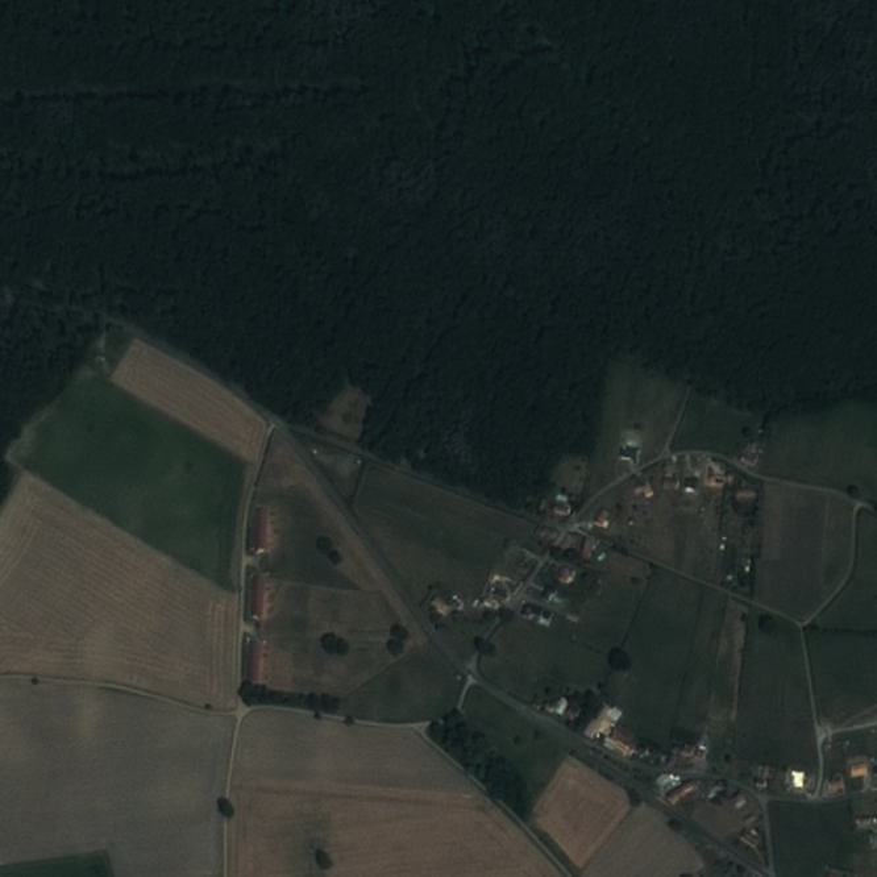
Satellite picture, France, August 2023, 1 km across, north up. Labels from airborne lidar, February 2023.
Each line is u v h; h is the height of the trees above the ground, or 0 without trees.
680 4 23
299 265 16
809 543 0
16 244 21
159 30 23
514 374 23
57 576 0
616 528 0
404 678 0
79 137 27
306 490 0
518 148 23
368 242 16
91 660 0
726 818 0
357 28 15
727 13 25
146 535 0
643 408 0
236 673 0
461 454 20
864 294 26
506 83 22
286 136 26
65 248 23
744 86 21
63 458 0
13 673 0
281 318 22
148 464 0
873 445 0
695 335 21
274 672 0
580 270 23
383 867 0
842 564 0
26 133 22
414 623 0
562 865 0
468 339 25
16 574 0
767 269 22
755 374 26
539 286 22
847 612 0
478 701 0
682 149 23
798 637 0
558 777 0
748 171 26
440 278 19
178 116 29
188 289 25
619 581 0
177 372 0
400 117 23
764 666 0
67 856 0
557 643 0
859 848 0
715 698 0
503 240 20
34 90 23
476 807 0
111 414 0
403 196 16
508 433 24
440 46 24
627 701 0
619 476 0
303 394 19
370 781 0
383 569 0
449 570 0
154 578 0
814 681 0
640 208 23
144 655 0
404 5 25
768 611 0
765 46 26
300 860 0
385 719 0
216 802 0
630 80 24
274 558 0
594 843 0
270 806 0
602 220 24
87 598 0
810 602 0
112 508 0
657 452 0
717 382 16
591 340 25
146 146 26
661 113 25
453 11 23
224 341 26
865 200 27
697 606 0
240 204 25
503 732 0
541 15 20
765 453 0
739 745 0
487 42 19
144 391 0
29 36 24
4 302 24
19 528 0
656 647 0
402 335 23
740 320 25
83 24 21
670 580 0
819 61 22
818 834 0
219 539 0
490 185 20
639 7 22
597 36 22
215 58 25
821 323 26
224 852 0
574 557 9
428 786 0
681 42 25
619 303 25
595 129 25
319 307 22
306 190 24
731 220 22
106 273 25
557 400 23
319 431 10
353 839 0
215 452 0
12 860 0
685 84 24
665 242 23
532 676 0
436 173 15
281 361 25
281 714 0
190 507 0
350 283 11
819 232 26
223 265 24
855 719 0
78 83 26
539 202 23
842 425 0
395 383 22
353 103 14
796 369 28
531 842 0
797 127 24
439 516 0
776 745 0
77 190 23
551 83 24
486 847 0
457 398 23
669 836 0
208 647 0
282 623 0
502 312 24
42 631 0
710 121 24
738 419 0
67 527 0
